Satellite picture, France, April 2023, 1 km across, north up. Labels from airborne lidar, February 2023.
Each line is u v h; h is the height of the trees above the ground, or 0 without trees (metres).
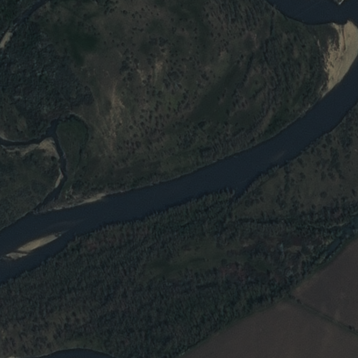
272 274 16
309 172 0
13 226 0
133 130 0
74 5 0
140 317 23
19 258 0
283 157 0
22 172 0
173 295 23
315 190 0
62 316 0
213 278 28
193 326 27
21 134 6
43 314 22
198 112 0
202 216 27
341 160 0
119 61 0
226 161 0
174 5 0
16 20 0
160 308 25
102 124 0
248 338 0
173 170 0
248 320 0
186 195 0
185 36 0
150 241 20
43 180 0
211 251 0
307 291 0
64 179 0
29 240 0
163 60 0
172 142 0
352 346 0
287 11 0
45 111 7
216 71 0
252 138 16
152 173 0
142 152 0
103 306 9
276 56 18
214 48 0
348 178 0
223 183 0
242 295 31
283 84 17
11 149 0
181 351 16
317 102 0
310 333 0
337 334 0
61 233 0
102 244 15
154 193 0
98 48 0
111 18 0
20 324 19
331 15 0
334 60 0
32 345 14
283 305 0
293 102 0
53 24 0
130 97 0
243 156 0
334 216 24
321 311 0
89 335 16
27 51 8
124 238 20
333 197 0
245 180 0
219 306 32
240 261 0
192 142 11
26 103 12
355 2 0
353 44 0
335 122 0
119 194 0
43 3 0
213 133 0
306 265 13
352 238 0
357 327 0
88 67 0
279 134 0
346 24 0
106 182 0
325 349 0
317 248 6
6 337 0
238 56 0
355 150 0
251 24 16
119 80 0
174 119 0
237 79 0
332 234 13
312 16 0
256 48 0
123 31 0
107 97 0
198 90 0
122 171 0
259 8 21
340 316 0
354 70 0
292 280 18
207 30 0
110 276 19
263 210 0
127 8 0
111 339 22
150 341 22
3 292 22
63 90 11
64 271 25
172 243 23
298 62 0
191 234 20
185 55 0
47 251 0
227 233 26
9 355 0
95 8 0
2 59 6
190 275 23
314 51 0
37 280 23
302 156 0
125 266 27
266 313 0
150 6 0
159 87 0
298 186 0
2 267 0
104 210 0
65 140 0
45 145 0
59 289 16
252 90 0
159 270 0
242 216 0
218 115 0
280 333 0
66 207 0
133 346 26
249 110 0
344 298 0
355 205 6
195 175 0
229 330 0
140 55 0
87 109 0
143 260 23
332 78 0
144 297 27
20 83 8
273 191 0
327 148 14
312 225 16
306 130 0
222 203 15
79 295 28
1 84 10
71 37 0
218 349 0
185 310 28
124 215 0
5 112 0
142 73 0
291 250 0
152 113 11
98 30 0
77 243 0
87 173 0
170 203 0
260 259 25
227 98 0
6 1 24
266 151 0
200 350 0
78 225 0
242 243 0
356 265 0
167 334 32
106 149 0
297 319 0
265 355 0
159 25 0
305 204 0
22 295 20
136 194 0
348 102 0
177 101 0
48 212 0
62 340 22
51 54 11
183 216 23
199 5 0
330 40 0
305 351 0
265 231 28
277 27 0
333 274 0
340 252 0
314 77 13
